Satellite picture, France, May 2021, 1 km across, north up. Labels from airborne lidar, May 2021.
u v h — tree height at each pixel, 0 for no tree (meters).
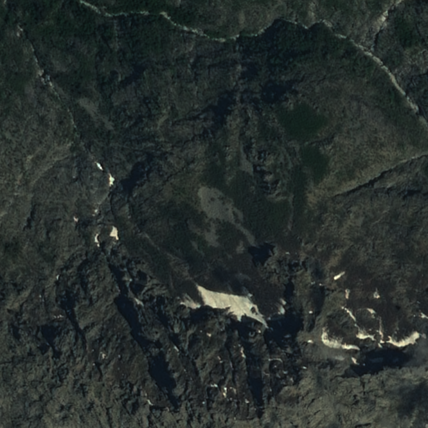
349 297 8
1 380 0
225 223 6
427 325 0
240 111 11
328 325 7
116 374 0
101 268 0
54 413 0
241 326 0
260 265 0
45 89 9
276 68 15
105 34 16
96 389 0
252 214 8
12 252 5
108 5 10
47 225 11
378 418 0
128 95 0
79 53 7
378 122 0
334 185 0
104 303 0
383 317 9
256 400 0
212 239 0
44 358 0
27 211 0
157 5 12
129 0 8
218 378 0
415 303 0
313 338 0
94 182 0
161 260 8
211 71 0
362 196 0
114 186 0
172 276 8
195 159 9
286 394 0
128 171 10
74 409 8
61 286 19
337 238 9
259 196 10
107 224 0
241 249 0
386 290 7
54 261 10
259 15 17
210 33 14
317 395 0
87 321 0
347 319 0
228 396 0
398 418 0
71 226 0
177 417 0
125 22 10
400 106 14
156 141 10
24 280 6
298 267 5
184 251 11
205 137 7
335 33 9
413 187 0
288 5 7
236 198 7
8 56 6
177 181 0
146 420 0
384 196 0
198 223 7
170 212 10
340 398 0
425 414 0
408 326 8
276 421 0
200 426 0
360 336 0
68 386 0
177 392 0
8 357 0
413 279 7
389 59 16
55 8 10
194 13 13
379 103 18
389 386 0
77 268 7
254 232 7
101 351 0
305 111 7
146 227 0
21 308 8
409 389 0
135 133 8
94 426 0
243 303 0
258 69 12
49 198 0
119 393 0
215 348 0
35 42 12
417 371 0
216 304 0
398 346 0
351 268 10
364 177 10
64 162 0
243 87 0
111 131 11
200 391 0
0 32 10
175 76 9
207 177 11
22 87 11
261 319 0
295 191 9
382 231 0
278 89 10
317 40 11
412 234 0
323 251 8
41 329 7
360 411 0
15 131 8
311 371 0
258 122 8
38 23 12
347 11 8
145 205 0
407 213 0
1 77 9
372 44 0
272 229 8
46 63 8
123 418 0
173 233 8
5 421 0
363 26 0
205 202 0
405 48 13
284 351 0
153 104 7
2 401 0
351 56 17
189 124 8
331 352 0
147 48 10
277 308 8
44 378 0
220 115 21
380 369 8
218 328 0
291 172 10
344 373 12
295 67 8
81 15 19
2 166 5
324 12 7
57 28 7
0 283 7
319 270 14
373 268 0
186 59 15
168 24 10
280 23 11
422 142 7
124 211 0
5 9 10
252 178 7
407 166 0
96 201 0
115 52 7
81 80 7
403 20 10
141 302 0
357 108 0
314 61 8
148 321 13
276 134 7
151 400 0
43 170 0
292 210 8
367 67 22
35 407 0
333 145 10
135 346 6
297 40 8
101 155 0
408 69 0
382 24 0
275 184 8
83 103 0
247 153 10
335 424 0
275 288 8
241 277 0
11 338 0
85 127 7
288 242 7
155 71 8
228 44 11
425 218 0
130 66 8
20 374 0
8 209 0
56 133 11
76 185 0
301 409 0
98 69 7
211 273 8
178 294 8
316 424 0
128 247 8
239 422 0
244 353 0
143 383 0
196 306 0
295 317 0
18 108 6
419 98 11
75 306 8
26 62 10
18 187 0
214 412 0
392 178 0
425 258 6
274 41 12
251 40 14
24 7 8
